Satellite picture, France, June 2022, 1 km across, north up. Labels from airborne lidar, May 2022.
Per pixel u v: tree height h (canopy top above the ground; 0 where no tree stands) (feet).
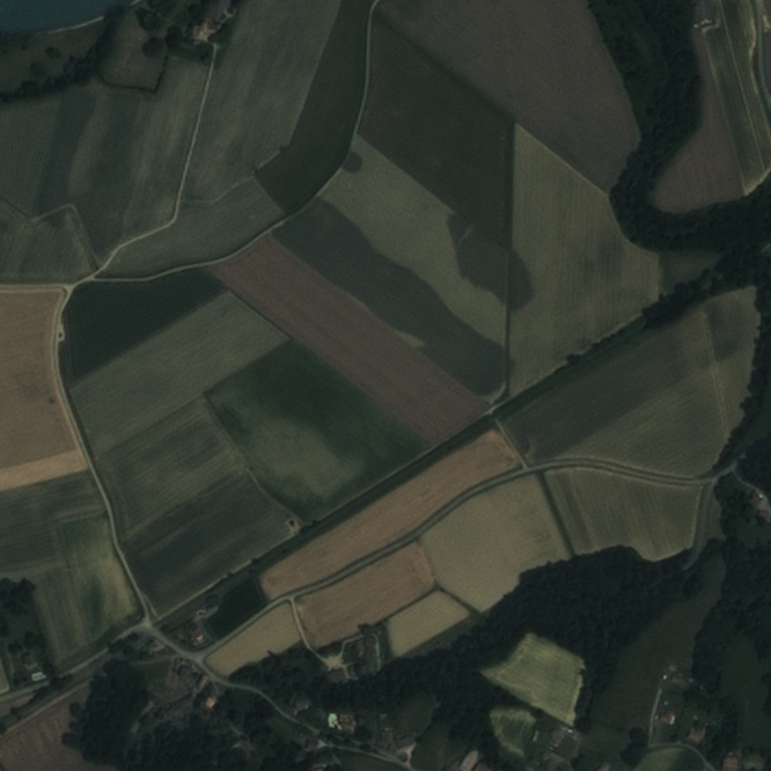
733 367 0
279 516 0
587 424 0
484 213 0
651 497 0
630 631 63
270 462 0
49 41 0
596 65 0
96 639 0
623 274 0
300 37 0
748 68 0
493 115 0
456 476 0
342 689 71
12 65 0
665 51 39
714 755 42
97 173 0
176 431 0
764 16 0
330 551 0
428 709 0
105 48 73
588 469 0
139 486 0
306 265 0
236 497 0
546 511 0
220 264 0
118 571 0
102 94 0
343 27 0
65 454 0
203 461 0
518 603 83
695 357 0
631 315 0
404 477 0
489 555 0
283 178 0
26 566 0
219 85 0
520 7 0
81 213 0
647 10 60
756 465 49
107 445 0
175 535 0
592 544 0
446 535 0
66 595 0
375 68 0
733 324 0
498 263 0
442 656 82
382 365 0
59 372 0
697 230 28
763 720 0
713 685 45
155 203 0
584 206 0
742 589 84
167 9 114
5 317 0
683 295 52
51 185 0
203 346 0
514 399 0
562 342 0
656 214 34
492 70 0
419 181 0
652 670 0
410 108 0
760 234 20
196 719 61
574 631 91
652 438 0
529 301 0
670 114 53
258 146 0
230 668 0
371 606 0
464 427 0
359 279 0
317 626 0
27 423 0
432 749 0
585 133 0
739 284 31
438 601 0
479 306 0
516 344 0
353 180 0
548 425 0
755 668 0
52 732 0
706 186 0
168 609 0
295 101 0
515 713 0
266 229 0
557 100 0
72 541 0
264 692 26
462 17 0
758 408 31
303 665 0
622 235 0
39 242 0
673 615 0
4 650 24
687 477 0
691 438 0
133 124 0
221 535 0
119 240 0
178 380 0
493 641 74
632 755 54
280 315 0
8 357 0
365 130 0
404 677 70
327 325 0
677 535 0
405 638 0
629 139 0
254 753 21
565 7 0
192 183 0
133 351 0
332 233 0
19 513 0
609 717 0
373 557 0
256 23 0
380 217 0
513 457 0
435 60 0
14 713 39
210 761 64
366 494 0
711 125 0
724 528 31
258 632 0
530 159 0
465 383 0
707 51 0
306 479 0
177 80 0
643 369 0
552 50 0
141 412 0
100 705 86
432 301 0
